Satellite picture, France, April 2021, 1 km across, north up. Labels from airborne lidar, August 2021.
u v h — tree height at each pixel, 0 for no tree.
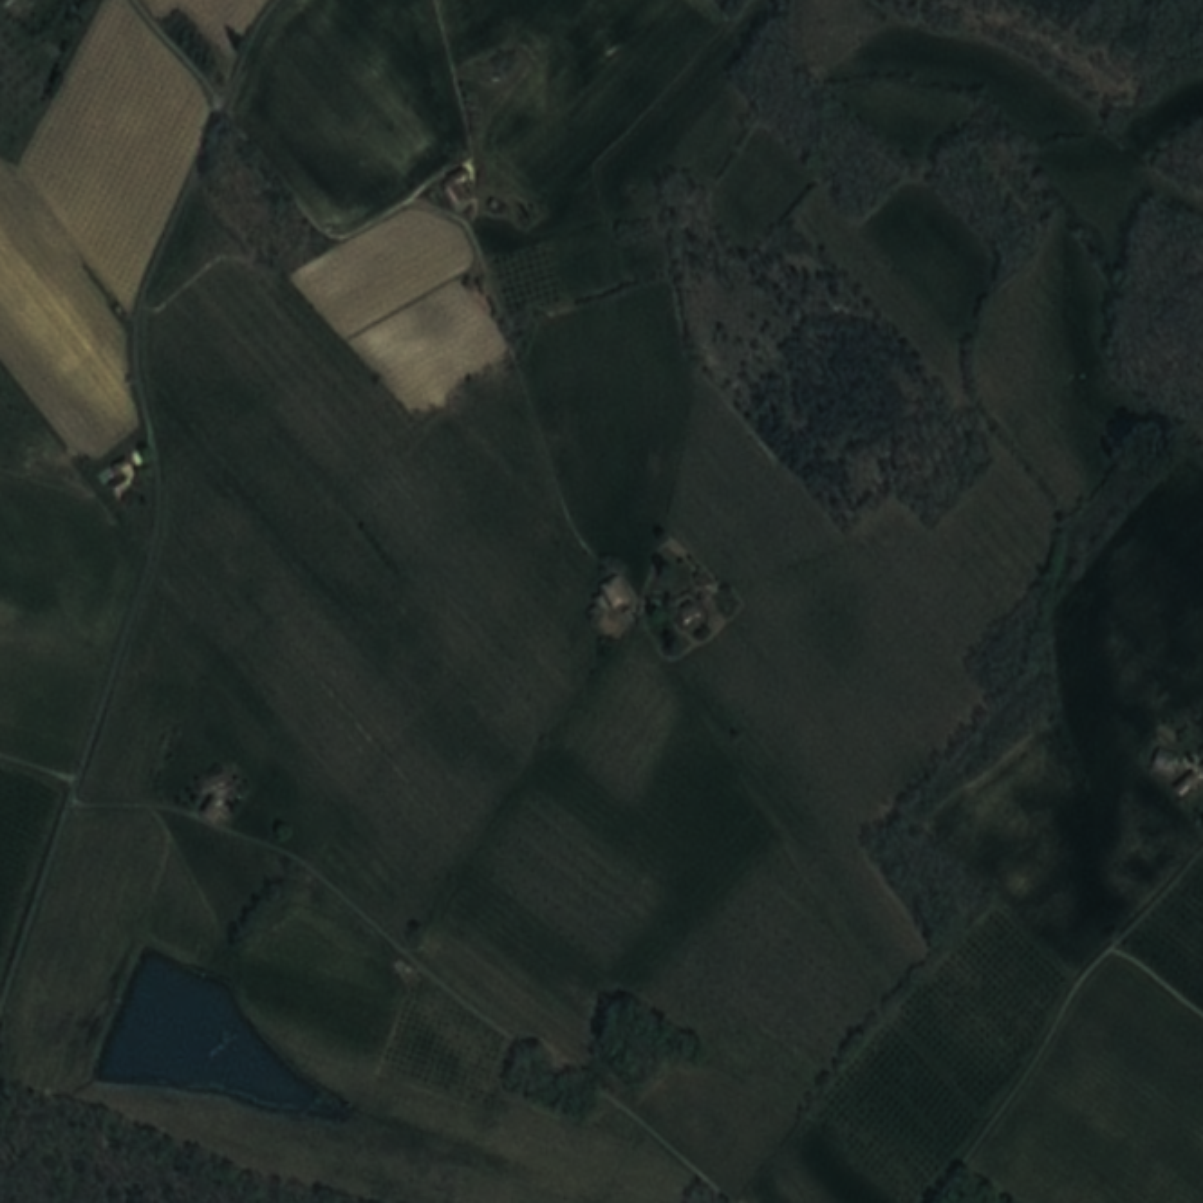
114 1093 0
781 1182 0
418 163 0
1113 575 0
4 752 0
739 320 0
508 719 0
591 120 0
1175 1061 0
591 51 0
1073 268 0
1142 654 0
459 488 0
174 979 0
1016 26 11
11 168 0
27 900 0
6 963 0
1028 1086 0
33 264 0
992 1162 0
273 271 13
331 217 0
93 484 0
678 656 16
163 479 0
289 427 0
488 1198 0
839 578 0
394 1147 0
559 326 0
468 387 7
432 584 0
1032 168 13
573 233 0
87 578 0
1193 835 0
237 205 0
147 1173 17
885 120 0
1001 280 14
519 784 0
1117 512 9
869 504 8
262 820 0
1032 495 0
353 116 0
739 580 0
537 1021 0
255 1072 0
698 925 0
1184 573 0
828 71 0
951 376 0
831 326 10
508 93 0
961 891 19
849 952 0
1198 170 10
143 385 0
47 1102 12
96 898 0
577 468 0
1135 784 0
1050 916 0
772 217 0
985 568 0
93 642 0
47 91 10
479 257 0
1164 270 15
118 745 0
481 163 0
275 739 0
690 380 0
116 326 0
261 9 0
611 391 0
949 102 0
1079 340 0
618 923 0
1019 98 0
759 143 0
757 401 8
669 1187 0
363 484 0
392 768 0
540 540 0
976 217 18
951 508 8
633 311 0
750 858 0
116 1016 0
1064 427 6
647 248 0
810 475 13
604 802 0
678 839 0
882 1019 12
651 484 0
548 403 0
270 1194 15
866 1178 0
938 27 15
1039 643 17
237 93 0
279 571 0
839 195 17
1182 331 14
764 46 19
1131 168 0
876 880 0
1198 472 0
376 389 10
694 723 0
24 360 0
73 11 13
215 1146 0
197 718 0
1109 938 8
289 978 0
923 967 8
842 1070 12
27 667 0
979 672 9
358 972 0
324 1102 0
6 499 0
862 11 0
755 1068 0
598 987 0
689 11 0
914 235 0
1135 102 8
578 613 0
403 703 0
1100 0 13
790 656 0
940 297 0
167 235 0
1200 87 0
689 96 0
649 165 0
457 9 0
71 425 0
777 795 0
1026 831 0
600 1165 0
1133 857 0
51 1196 14
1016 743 11
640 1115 0
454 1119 0
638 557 0
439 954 0
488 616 0
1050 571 9
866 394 18
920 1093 6
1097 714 0
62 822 0
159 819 0
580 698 0
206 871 0
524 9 0
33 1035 0
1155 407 17
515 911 0
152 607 0
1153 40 15
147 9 0
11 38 13
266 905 15
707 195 14
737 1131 0
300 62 0
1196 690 0
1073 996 0
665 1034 22
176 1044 0
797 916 0
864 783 0
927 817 11
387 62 0
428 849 5
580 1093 15
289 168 0
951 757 9
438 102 0
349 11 0
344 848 0
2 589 0
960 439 18
